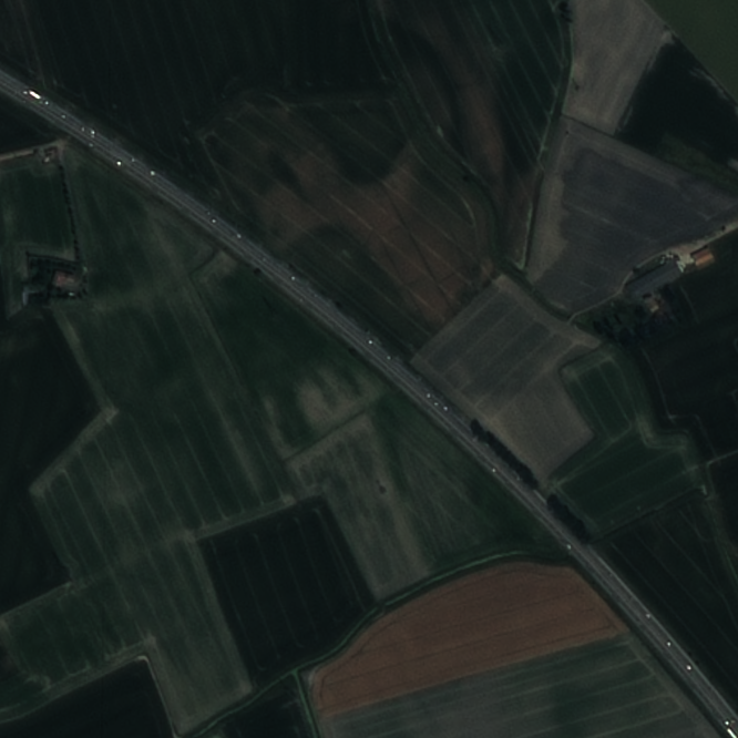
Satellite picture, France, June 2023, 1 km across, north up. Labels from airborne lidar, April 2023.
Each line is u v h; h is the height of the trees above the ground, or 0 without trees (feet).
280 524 0
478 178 0
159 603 0
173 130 0
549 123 0
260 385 0
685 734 0
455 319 0
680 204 0
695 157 0
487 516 0
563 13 42
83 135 0
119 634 0
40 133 0
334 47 0
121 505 0
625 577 0
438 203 0
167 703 0
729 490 0
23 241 0
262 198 0
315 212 0
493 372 0
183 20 0
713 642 0
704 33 0
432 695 0
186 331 0
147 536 0
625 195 0
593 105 0
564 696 0
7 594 0
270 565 0
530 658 0
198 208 0
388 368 0
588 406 0
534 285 0
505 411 0
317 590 0
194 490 0
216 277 0
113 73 0
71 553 0
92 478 0
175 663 0
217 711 0
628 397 0
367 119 0
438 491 0
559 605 0
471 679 0
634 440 0
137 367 0
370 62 0
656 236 0
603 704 0
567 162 0
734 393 0
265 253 0
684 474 0
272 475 0
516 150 0
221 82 0
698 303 0
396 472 0
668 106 0
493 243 0
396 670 0
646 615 0
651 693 0
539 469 0
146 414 0
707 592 0
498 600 0
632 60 0
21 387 0
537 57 0
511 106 0
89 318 0
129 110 0
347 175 0
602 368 0
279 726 0
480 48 0
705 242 0
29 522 0
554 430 0
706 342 0
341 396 0
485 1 0
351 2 0
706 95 0
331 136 0
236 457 0
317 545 0
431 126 0
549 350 0
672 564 0
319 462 0
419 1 0
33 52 0
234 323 0
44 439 0
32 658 0
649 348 0
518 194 0
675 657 0
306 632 0
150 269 0
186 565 0
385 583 0
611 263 0
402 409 0
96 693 0
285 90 0
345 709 0
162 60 0
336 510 0
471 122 0
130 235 0
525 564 0
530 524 0
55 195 0
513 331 0
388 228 0
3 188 0
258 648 0
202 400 0
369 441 0
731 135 0
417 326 0
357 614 0
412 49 0
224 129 0
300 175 0
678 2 0
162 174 0
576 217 0
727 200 0
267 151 0
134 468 0
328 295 0
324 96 0
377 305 0
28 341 0
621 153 0
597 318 0
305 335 0
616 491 0
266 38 0
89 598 0
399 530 0
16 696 0
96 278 0
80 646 0
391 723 0
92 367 0
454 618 0
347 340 0
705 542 0
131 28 0
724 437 0
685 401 0
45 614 0
